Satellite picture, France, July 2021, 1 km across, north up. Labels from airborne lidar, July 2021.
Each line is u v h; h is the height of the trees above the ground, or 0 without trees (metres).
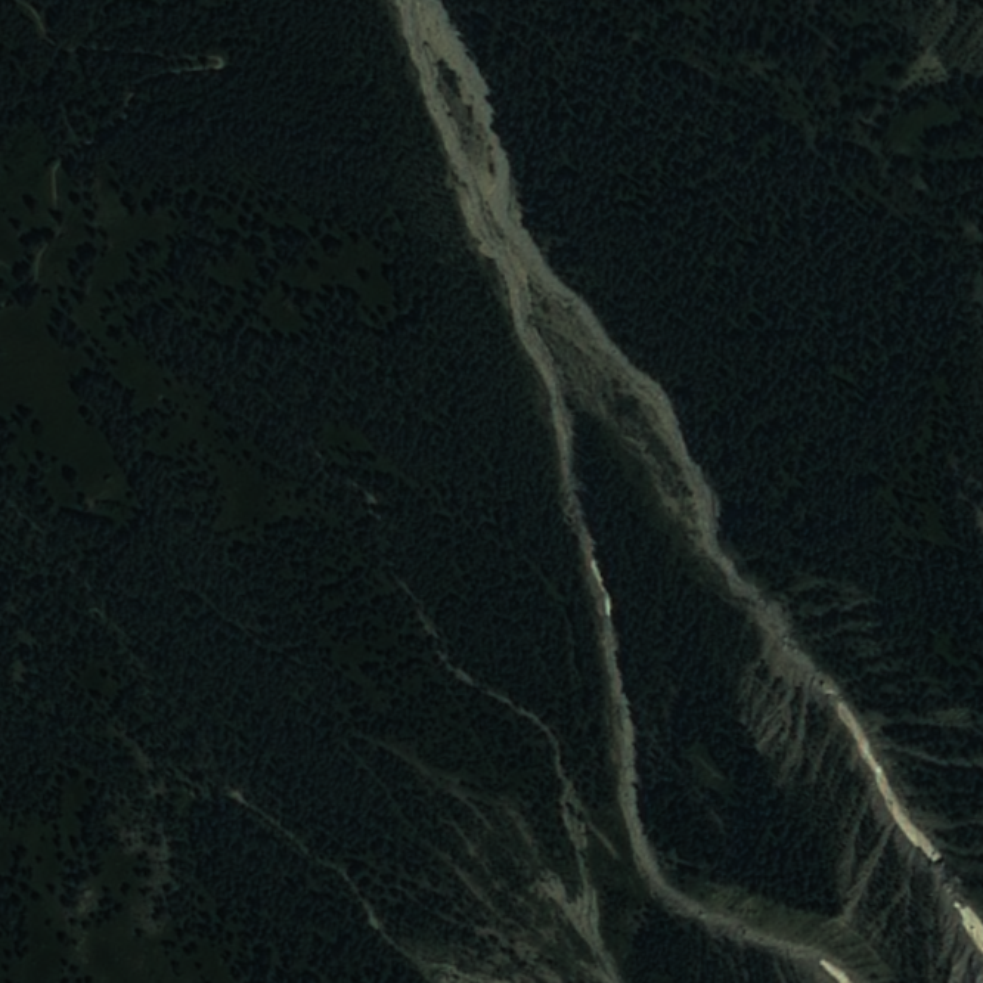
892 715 10
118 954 0
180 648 30
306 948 26
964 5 7
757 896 7
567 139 30
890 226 32
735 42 16
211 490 12
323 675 16
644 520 22
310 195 23
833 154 26
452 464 28
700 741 11
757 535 21
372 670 15
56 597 10
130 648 12
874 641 8
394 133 18
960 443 11
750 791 14
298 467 25
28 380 0
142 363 0
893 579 17
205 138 12
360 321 19
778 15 12
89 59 19
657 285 24
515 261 0
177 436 0
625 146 28
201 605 26
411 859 13
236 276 0
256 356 20
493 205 0
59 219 25
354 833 22
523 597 18
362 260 0
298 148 28
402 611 12
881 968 0
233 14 18
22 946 14
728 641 9
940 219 9
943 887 0
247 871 22
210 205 14
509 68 27
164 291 0
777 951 0
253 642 24
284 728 30
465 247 10
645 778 8
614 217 26
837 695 0
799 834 20
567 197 26
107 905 14
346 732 16
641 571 27
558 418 0
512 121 20
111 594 16
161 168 21
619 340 10
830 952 0
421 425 24
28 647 13
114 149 25
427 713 6
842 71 32
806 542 26
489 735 12
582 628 26
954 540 18
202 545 22
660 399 0
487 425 25
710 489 0
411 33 0
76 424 0
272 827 10
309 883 24
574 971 0
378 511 16
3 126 20
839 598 8
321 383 29
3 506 24
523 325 0
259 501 0
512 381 18
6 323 0
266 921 25
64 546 19
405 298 24
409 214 22
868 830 11
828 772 10
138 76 19
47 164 7
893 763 0
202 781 23
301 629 17
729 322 29
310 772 29
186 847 20
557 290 0
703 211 26
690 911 0
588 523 0
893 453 27
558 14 12
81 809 0
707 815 14
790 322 26
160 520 24
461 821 18
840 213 28
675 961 13
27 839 0
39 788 18
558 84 27
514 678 13
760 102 15
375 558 9
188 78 9
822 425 19
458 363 20
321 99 20
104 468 0
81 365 0
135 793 12
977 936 0
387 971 20
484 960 9
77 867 18
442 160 10
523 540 21
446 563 16
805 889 22
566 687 17
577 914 0
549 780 7
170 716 10
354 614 14
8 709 9
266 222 19
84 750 12
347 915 17
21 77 29
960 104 20
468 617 17
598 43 25
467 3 19
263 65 12
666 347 31
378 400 26
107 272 0
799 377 25
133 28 10
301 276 0
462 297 13
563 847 9
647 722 7
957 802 13
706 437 24
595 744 9
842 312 30
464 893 11
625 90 24
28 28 25
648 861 0
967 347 23
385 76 20
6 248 0
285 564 9
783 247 26
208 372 26
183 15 19
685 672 26
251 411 29
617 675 0
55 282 0
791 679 0
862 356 29
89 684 0
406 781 16
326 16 25
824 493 28
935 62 0
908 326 27
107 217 0
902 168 28
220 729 26
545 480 25
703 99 24
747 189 31
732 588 0
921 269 20
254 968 15
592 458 10
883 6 7
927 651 22
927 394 26
